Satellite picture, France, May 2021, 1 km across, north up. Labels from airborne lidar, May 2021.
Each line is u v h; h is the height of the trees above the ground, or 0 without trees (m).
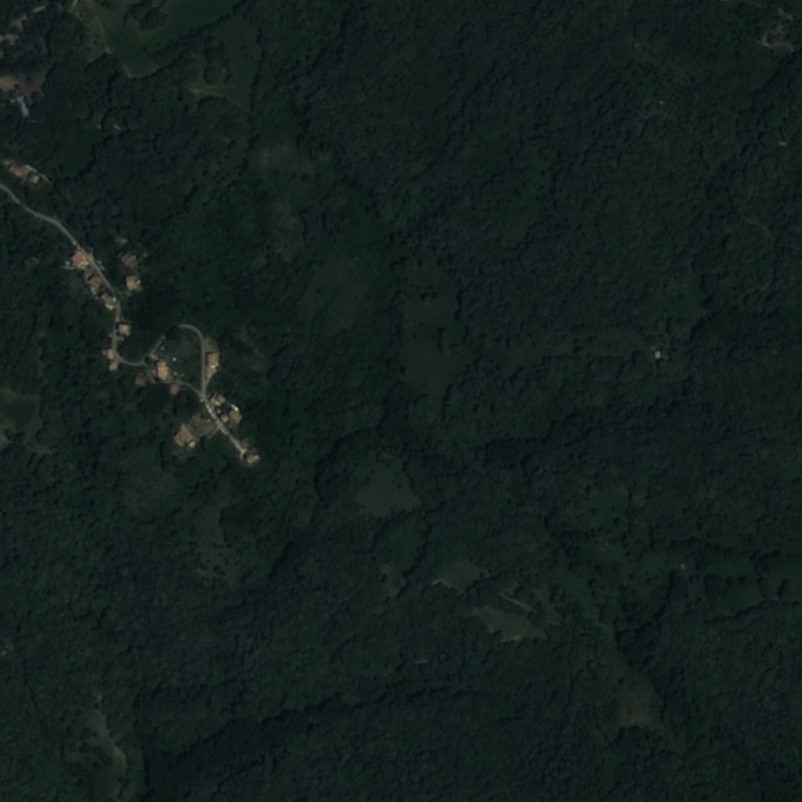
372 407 12
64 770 16
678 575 13
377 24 13
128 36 0
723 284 17
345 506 17
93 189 14
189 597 15
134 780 13
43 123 9
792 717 11
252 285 10
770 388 17
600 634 14
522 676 12
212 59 14
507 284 13
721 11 17
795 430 10
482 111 16
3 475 14
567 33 13
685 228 12
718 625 16
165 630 7
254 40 0
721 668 10
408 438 20
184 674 12
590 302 10
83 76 10
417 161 16
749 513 15
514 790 17
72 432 9
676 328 17
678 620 16
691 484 11
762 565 16
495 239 6
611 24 16
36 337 15
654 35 18
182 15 0
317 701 14
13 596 14
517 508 14
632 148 9
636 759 9
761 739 9
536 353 0
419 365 0
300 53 18
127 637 14
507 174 13
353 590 13
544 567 16
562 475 18
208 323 7
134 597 6
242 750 27
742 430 14
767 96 19
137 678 14
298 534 18
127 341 7
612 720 15
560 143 12
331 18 8
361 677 14
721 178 21
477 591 7
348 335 12
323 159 18
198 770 21
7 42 7
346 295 0
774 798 19
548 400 7
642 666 17
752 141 13
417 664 7
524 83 13
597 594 10
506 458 24
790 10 14
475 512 18
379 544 14
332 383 8
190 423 0
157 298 11
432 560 13
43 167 9
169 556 13
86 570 13
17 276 17
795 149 7
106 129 14
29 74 9
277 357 15
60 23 13
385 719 18
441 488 13
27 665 13
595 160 9
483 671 14
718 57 13
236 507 13
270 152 0
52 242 9
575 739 6
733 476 12
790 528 11
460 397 9
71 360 11
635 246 13
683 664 15
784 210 15
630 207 14
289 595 16
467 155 14
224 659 22
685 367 17
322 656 14
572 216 14
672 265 9
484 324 12
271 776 18
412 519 11
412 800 11
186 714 16
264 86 17
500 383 12
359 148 17
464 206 16
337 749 15
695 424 18
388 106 16
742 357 14
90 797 9
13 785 13
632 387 14
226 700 21
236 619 14
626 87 11
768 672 14
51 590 13
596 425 9
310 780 18
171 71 10
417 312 0
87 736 10
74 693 10
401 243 10
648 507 12
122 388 13
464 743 14
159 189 14
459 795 12
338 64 15
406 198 14
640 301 17
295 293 6
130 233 6
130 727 20
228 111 17
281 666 8
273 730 25
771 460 11
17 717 15
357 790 14
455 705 23
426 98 15
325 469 22
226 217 6
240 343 8
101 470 17
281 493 18
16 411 0
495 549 16
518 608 12
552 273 11
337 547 17
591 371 13
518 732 15
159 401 17
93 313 10
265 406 13
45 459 11
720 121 12
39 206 16
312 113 20
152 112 16
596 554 0
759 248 14
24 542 14
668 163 15
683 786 9
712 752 10
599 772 10
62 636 10
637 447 17
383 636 12
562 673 13
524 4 16
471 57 20
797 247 12
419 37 12
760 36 9
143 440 8
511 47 12
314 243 13
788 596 14
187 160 15
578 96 13
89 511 14
